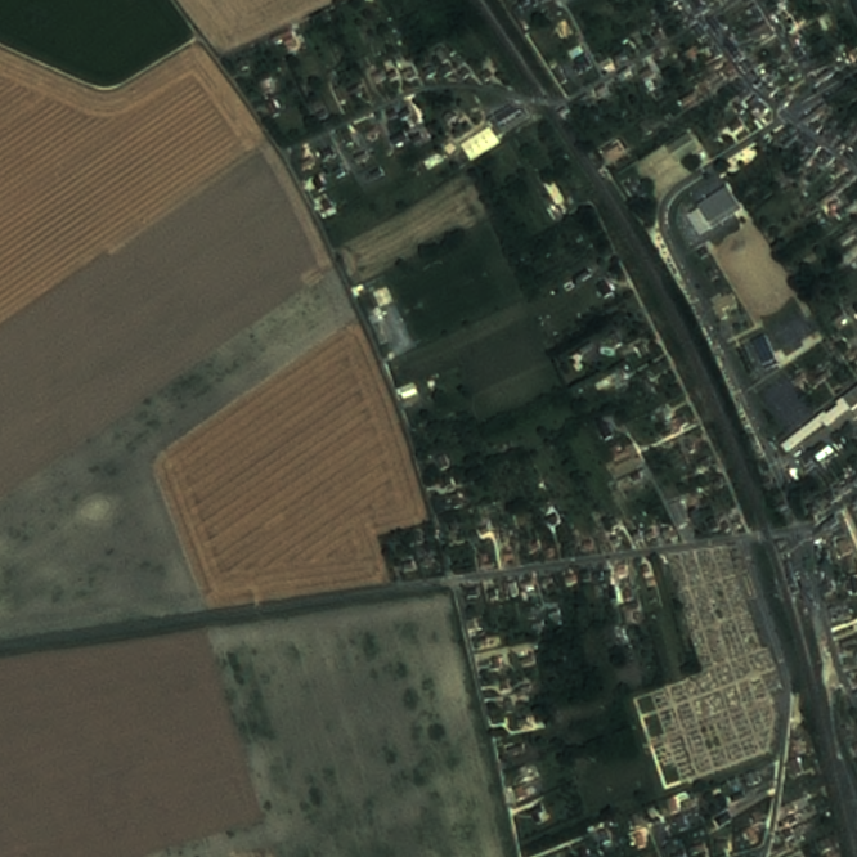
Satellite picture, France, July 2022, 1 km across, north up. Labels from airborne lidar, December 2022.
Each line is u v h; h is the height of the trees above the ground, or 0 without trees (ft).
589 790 0
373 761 0
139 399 0
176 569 0
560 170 32
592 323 21
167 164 0
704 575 0
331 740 0
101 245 0
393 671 0
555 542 22
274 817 0
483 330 0
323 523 0
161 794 0
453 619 0
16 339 0
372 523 0
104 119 0
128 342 0
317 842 0
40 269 0
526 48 0
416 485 0
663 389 29
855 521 0
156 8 0
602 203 0
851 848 0
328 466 0
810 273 45
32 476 0
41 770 0
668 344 0
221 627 0
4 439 0
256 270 0
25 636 0
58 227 0
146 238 0
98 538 0
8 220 0
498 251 0
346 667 0
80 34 0
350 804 0
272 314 0
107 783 0
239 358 0
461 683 0
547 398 25
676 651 0
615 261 38
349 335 0
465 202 0
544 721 61
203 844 0
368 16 22
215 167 0
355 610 0
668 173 0
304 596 0
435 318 0
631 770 0
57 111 0
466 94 0
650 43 41
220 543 0
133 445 0
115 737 0
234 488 0
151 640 0
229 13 0
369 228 0
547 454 0
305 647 0
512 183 38
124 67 0
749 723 0
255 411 0
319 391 0
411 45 34
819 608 0
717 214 0
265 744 0
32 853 0
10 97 0
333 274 0
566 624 35
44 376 0
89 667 0
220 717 0
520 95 0
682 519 0
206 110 0
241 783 0
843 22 26
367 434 0
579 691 44
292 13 0
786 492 43
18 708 0
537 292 17
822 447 35
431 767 0
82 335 0
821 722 0
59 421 0
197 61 0
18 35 0
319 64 0
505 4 0
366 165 0
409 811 0
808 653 0
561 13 0
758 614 0
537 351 0
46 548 0
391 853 0
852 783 0
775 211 0
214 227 0
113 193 0
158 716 0
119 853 0
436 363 0
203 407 0
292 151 0
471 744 0
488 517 0
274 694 0
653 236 0
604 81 0
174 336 0
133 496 0
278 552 0
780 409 0
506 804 0
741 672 0
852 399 0
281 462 0
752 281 0
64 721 0
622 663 35
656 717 0
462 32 28
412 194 0
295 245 0
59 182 0
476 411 0
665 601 0
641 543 0
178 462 0
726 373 0
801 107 0
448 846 0
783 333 0
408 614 0
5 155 0
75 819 0
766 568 0
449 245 34
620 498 0
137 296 0
